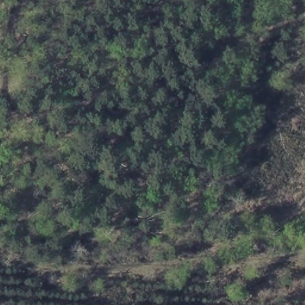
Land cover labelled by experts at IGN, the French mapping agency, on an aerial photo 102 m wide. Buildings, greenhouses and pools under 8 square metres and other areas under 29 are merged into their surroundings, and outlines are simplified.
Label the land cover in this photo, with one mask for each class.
<instances>
[{"label":"coniferous trees","instance_id":"1","mask_svg":"<svg viewBox=\"0 0 305 305\"><path fill-rule=\"evenodd\" d=\"M46 0H27L29 4L26 6L24 18L20 19L18 30L12 36L4 29L7 27V12L18 4V0H0V66H6V58L32 56L33 74L36 76L32 80L27 76L23 77V83L29 91H14L12 94L19 107L14 114L15 122L7 119V101L0 100V131L11 130V127L19 124L20 120L29 118L27 112L31 111L32 100L37 94L43 99V110L54 106L55 111L48 114L50 126H57L62 132L67 131L66 108L80 104L85 98L91 99L93 89L99 86V80L104 75L110 76L112 85L116 87L111 91L102 92L91 113L85 110L87 105H83L77 111L74 139H58L54 132L44 131L37 118H32V127L35 129L32 141L60 145L62 151L55 152L56 160H61L62 152H67L69 160L49 168L43 160L42 151L36 150V170L30 168V164H25L23 173L7 192L1 189V186H4V178L0 175V248L5 247L13 251L15 259L25 257L26 260L38 264V270L48 273L60 268L62 263L60 241L68 235V230H55L50 217L52 207L49 203L39 204L30 218L36 223V230L45 237L46 242L35 245L29 236L18 241L13 220L17 218V214L25 211L19 210L12 198L19 189L37 186L39 194L44 198L48 199L52 195L63 200V205L68 207V210L58 213L60 223L79 231L80 234H93L97 228H110L111 217L107 216V213L113 208L125 206L132 210L129 217L124 219V223L127 224L129 218H135L137 214L139 217L152 216L155 203L168 195L169 203L161 217L162 230L170 238L178 239V245L187 241L188 236L182 231V222L179 220L186 208V201L182 197L191 192L197 193L199 180L195 178V170L198 167L206 168L208 173L214 176L205 192V208L210 213L214 208L230 203V195L224 191L220 178L237 174L235 164L239 161V152L243 150L245 142H248L250 133L256 132L263 124L261 107L256 106L254 113L249 116L237 118L235 127L239 132L229 145L225 144L223 139L214 136L212 131H207L204 136L205 145L201 149L195 144L194 133L204 125L203 108L211 106L214 110L212 123L223 126L224 117L229 113L231 106L243 108L253 99L250 95L239 98V94L229 85V80L234 76L245 87L249 82L259 79L255 64L259 62L261 45L255 42V39L260 36L266 39L270 36L268 26H272L274 17L287 20L305 19V0H176L181 2L180 6L162 7L164 21L157 27L155 35L156 42L161 45L160 54L152 58L149 67H143V57L152 54L155 49L147 48L150 25L144 20H137L136 14L142 10L145 2L155 4L158 0H57L58 11L62 13V27L61 31L55 30L52 33L51 37L55 39L56 44L51 46L48 41L39 45L38 38L48 30L51 19L45 20L44 24L33 23L44 14ZM124 14H127L130 30H143L141 38L136 41L135 49L127 48L126 37L122 32L123 23L119 19ZM236 35L239 39L236 48H226L223 56L216 62V67L207 70L203 79H195L193 67H198L199 61L194 51L199 48V42L212 49L219 38ZM172 37L178 44L176 50L181 62L186 64V73L183 75L176 74L168 57L167 43ZM101 46L110 51L112 57L118 61L116 71L110 63L104 68L99 66L98 49ZM49 54L66 58L71 68L67 83L58 82L52 86L50 76H61L64 69L52 68L49 58L46 57ZM163 77H166L168 83L158 89L152 99L157 113L154 118L139 126L138 114L149 112L148 106L145 105L147 92L156 79ZM185 82L191 91L183 110L180 127L170 136L161 130L162 125L166 124L172 105V99L167 93L174 88L178 97L182 98L183 92L179 86ZM104 106L122 107L129 114L117 120L100 118L101 108ZM127 125L132 126V138L135 143L113 156L111 147L116 141L111 139L106 145L101 138H97V132L100 129L122 135ZM124 168L142 169L148 180H126L124 183H118V173ZM292 30L287 29L281 31L280 41L273 49L275 62L267 67L269 74L272 75L269 83L276 89L284 86L285 77L297 69L294 63H287L282 71L278 69L279 64L288 57L285 46ZM19 141L18 138L0 137V167L2 172L8 173V158L11 152L18 156L12 163H20L21 150L11 151L12 144ZM242 219L249 231V234L245 235L249 242L253 243L256 238H264L268 247H272L280 232L275 230L274 222L269 216L262 218L242 210ZM231 218H223L220 222L216 220H212L205 231L206 241L229 245V238L234 239L237 236ZM77 256L87 255V261H98L101 253L99 245L94 250L75 245L71 248ZM130 287L132 292L135 291L137 287L161 288V290L169 291L179 290L178 287H176L173 284V282H169L166 279L162 282V284H131ZM37 297L77 300L86 298L83 293L39 291L36 292Z\"/></svg>","mask_w":305,"mask_h":305},{"label":"brushwood","instance_id":"2","mask_svg":"<svg viewBox=\"0 0 305 305\"><path fill-rule=\"evenodd\" d=\"M29 4L27 0H18V4L7 12V27L4 29L12 36L18 30L20 19L24 18L26 6ZM51 19L48 30L38 38L39 45L48 41L51 46L56 44L55 39L51 37L52 33L55 30L61 31L62 27V13L58 11L57 0H46L44 14L33 23L44 24L45 20ZM180 6L181 2L176 0H158L155 4L145 2L142 10L136 14L137 20H144L150 25L147 48L155 49L152 54L143 57V67H149L152 58L160 54L161 45L156 42L155 35L157 27L164 21L162 7ZM119 19L123 23L122 32L126 37L127 48L135 49L136 41L141 38L143 30H130L127 14H124ZM270 36L266 39L260 36L255 39V42L261 45L259 62L255 64L259 79L249 82L245 87L234 76L229 80V85L239 94V98L250 95L253 99L243 108L231 106L229 113L224 117L223 126L212 123L214 110L211 106L203 108L204 125L194 133L195 144L201 149L205 145L204 136L207 131H212L214 136L223 139L225 144L229 145L239 132L235 127L237 118L249 116L254 113L256 106L261 107L263 124L256 132L250 133L248 142H245L243 150L239 152V161L235 164L237 174L220 178L224 191L230 195L253 200L263 195L272 197L276 194L284 186H298L297 182L290 183V178L295 175L299 178L295 168L303 158L305 160V19L287 20L274 17L272 26H268ZM287 29L292 30L285 46L288 57L279 64L278 69L282 71L287 63H294L297 69L285 77L284 86L276 89L269 83L272 75L269 74L267 67L275 62L273 49L280 41L281 31ZM239 39L236 35L219 38L212 49L199 42V48L194 51L199 61L198 67H193L195 79H203L207 70L216 67V62L223 56L226 48H236ZM178 44L172 37L167 43L168 57L176 74L183 75L186 73V64L181 62L176 50ZM99 66L104 68L110 63L116 71L118 61L112 57L110 51L101 46L98 49ZM46 57L49 58L52 68L64 69L61 76H50L52 86L58 82L67 83L71 68L66 58L49 54ZM116 87L112 85L110 76L104 75L99 80V86L93 89L91 99L85 98L80 104L66 108L67 131L62 132L57 126H50L48 114L55 111L54 106L43 110V99L37 94L32 100L31 111L27 112L29 118H37L44 131L54 132L58 139H74L77 111L83 105H87L85 110L91 113L102 92L111 91ZM168 83L166 77H163L156 79L147 92L145 105L148 106L149 112L138 114L139 126L154 118L157 113L152 99L158 89ZM183 92L182 98L178 97L174 88L167 93L172 99V105L166 124L162 125L161 130L170 136L180 127L183 110L191 91L185 82L179 86ZM129 114L122 107L104 106L101 108L100 118L117 120ZM132 126L127 125L122 135L100 129L97 132V138H101L106 145L111 139L116 141L111 147L113 156L135 143L132 138ZM21 150L20 163H12L18 156L11 152L8 158V173L2 172L0 167V175L4 178V186H1V189L7 192L23 173L25 164H30V168L36 170V150L42 151L43 160L49 168L69 160L67 152H62L61 160H56L55 152L62 151L60 145L32 141H19L12 144L11 151ZM126 180H148L142 169L124 168L118 173V183H124ZM0 257V305H257L260 301L259 294H250L236 282L226 287L218 281L208 284L207 280L213 276L223 278V266L230 264L229 260L220 259L217 253L214 254L213 260L207 259L204 262V273L192 269L189 274L185 285L179 290L169 291L161 290V288L137 287L135 291L132 292L130 287L131 284H162V282L166 279L156 276L154 279H144L142 275L132 278L123 273L122 276L107 275L102 280L98 279L93 284L94 288L81 286L67 290L58 284H51L48 273L38 270L30 272L27 268H10L1 262ZM39 291L83 293L86 298L77 300L37 297L36 292Z\"/></svg>","mask_w":305,"mask_h":305},{"label":"herbaceous vegetation","instance_id":"3","mask_svg":"<svg viewBox=\"0 0 305 305\"><path fill-rule=\"evenodd\" d=\"M7 101V119L15 122L14 114L19 107L12 94L7 89H1L0 92V100ZM195 178L199 180L197 193L191 192L182 197L186 201V208L179 220L182 222V231L188 236L187 241L178 245V239L170 238L162 230L161 217L169 203L168 195L155 203L152 216L139 217L137 214L135 218H129L127 224L124 223V219L129 217L132 210L125 206L113 208L107 213V216L111 217L110 228L122 249L111 251L102 267L112 270L117 264L131 260V257H135L143 264L152 263L154 260H175L176 257L179 264H174V268H182L189 274L192 269L204 273V262L207 259L213 260L214 254L217 253L218 249L241 248L249 242L245 235L249 234V231L242 219L238 220L236 213L232 214L231 218L237 236L234 239L229 238V245L206 241L205 231L212 220H216L210 213L205 208V192L214 176L208 173L206 168L198 167L195 170ZM19 210L25 211L17 214V218L13 220L18 241L29 236L35 245L46 242L45 237L36 230V223L30 218L39 204L49 203L52 207L50 217L55 230H68V235L60 241L62 263L63 266L71 262L87 263L89 268L99 266L98 261H87V255L77 256L71 248L75 245L94 250L99 245L97 237L93 234H80L79 231L60 223L58 213L68 210V207L63 205V200L52 195L48 199L44 198L39 194L37 186L19 189L12 198ZM268 247L264 238H256L253 243L255 256H249L247 260L238 257L235 263L230 264L223 266V278L213 276L207 280L208 284L218 281L226 287L236 282L250 294H259L260 301L257 305H305V248L299 250L297 255L292 254L290 248L285 255L273 259L267 251Z\"/></svg>","mask_w":305,"mask_h":305},{"label":"bare soil","instance_id":"4","mask_svg":"<svg viewBox=\"0 0 305 305\"><path fill-rule=\"evenodd\" d=\"M230 203L214 208L210 213L216 220L220 222L223 218H231L232 214L236 213L238 220L242 219V210L262 218L269 216L274 222L275 230L280 232L284 231L288 223L292 226H301L305 230V195H300L294 201L279 203L276 194L272 197L263 195L253 200L230 195ZM0 257L1 262L10 268H27L30 272L38 270V264L26 260L25 257L15 259L13 251L5 247L0 248ZM174 264H179L176 257L175 260H154L152 263L143 264L135 257H131V260L117 264L112 270L102 267L99 266L89 268L87 263L71 262L63 266L62 263L60 268L48 273L51 284H58L67 290L81 286L94 288L93 284L98 279L102 280L107 275L122 276L123 273L132 278L142 275L144 279H154L156 276L166 279L169 270L174 268Z\"/></svg>","mask_w":305,"mask_h":305},{"label":"deciduous trees","instance_id":"5","mask_svg":"<svg viewBox=\"0 0 305 305\"><path fill-rule=\"evenodd\" d=\"M32 56L6 58V66H0V92L1 89H7L12 94L14 91H29L23 83V77L27 76L32 80L36 76L33 74ZM35 129L32 127V118H29L20 120L19 124L11 127V130L0 131V137L18 138L19 141H32ZM290 248L292 254L297 255L299 250L305 248V230L301 226H292L288 223L284 231L280 232L272 247H268L267 251L273 259L285 255ZM93 234L97 237L101 253L98 261L99 266L102 267L111 251L122 249L110 228H97ZM217 253L220 259L229 260L230 264L235 263L238 257L247 260L249 256H255L253 243L249 242L241 248L218 249ZM189 274L182 268H174L169 270L166 279L169 282H173V284L176 287H178L179 290L185 285Z\"/></svg>","mask_w":305,"mask_h":305},{"label":"plowed land","instance_id":"6","mask_svg":"<svg viewBox=\"0 0 305 305\"><path fill-rule=\"evenodd\" d=\"M299 178L295 175L290 178V183L297 182L298 186H284L276 194L279 203L294 201L300 195H305V160L303 158L295 168Z\"/></svg>","mask_w":305,"mask_h":305}]
</instances>
